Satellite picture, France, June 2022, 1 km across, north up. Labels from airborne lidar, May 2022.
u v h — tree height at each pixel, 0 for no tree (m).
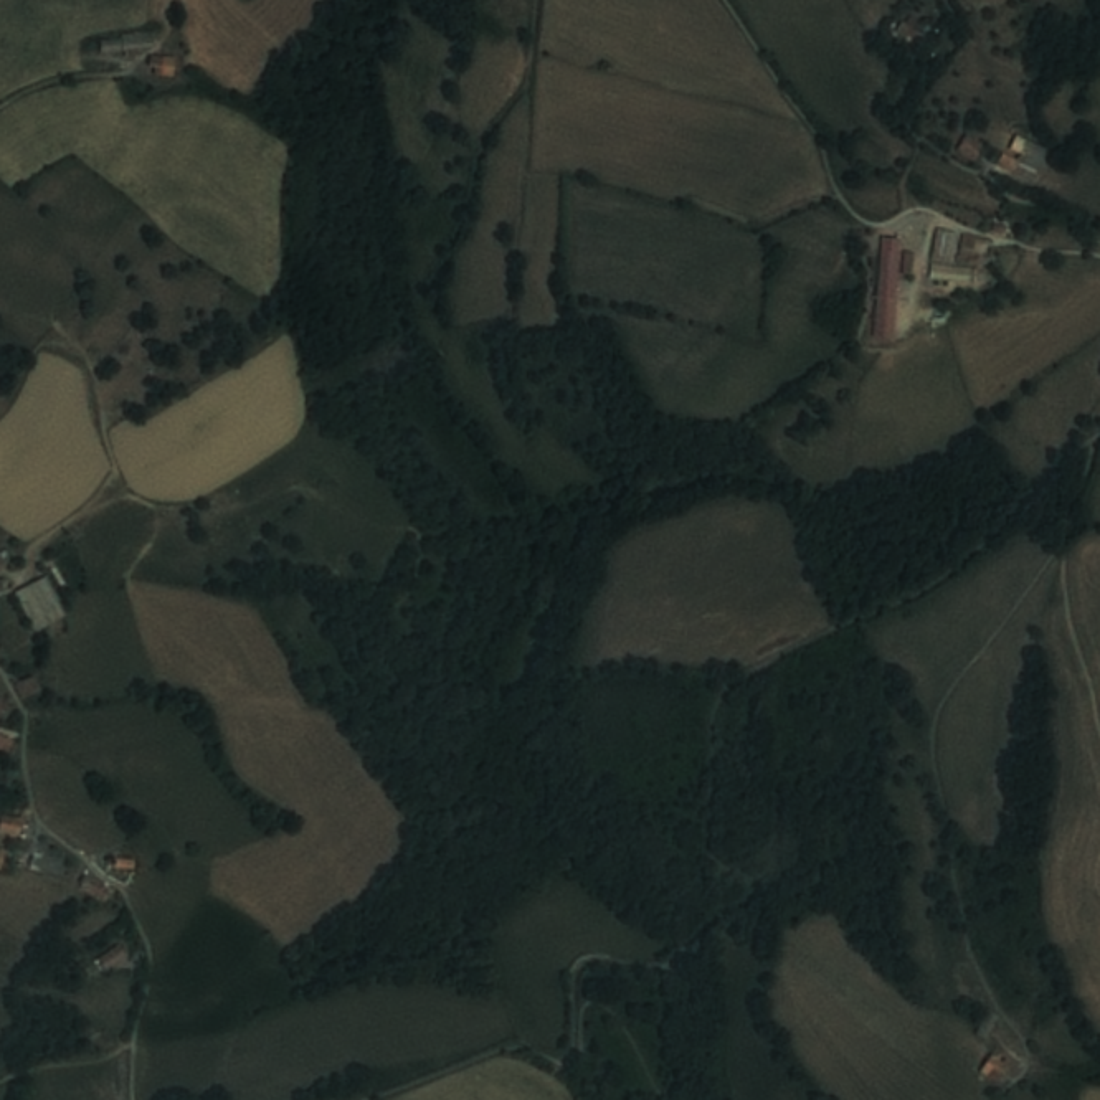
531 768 9
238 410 0
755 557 0
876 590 17
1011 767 23
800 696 6
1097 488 0
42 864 0
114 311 0
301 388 0
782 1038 19
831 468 0
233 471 0
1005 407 15
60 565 0
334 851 0
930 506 7
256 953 0
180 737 0
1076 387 0
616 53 0
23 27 0
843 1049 0
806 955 0
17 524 0
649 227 0
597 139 0
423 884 24
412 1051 0
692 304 0
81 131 0
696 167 0
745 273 0
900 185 0
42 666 11
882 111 13
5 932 0
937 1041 0
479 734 12
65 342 0
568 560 17
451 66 16
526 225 0
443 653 23
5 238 0
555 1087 0
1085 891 0
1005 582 0
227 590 13
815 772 8
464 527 13
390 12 12
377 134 21
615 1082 21
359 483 0
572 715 9
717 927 13
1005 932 0
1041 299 0
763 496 9
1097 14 14
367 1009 0
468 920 23
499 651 14
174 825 0
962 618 0
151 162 0
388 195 16
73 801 0
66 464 0
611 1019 13
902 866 14
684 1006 28
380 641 25
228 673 0
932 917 9
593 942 0
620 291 0
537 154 0
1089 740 0
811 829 19
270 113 6
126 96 0
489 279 0
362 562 17
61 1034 19
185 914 0
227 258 0
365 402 26
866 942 19
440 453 0
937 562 12
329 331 16
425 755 26
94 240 0
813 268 0
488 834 22
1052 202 19
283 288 12
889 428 0
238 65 0
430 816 15
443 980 21
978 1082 0
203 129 0
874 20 0
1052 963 16
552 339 14
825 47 0
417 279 0
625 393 16
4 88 0
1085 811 0
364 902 16
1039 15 10
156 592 0
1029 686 19
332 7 21
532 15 0
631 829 20
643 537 0
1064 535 14
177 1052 0
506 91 0
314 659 0
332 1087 15
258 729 0
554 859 20
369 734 17
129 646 0
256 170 0
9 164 0
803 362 0
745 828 15
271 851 0
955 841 12
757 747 20
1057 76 17
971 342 0
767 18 0
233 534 0
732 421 11
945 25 15
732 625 0
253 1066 0
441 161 0
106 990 0
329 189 13
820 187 0
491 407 0
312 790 0
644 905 16
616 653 0
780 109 0
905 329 0
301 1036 0
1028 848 18
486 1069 0
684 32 0
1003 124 0
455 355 0
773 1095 0
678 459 26
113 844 0
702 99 0
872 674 8
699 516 0
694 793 10
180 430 0
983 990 0
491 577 25
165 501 0
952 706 0
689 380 0
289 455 0
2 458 0
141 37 0
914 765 14
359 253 19
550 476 0
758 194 0
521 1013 0
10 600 7
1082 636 0
